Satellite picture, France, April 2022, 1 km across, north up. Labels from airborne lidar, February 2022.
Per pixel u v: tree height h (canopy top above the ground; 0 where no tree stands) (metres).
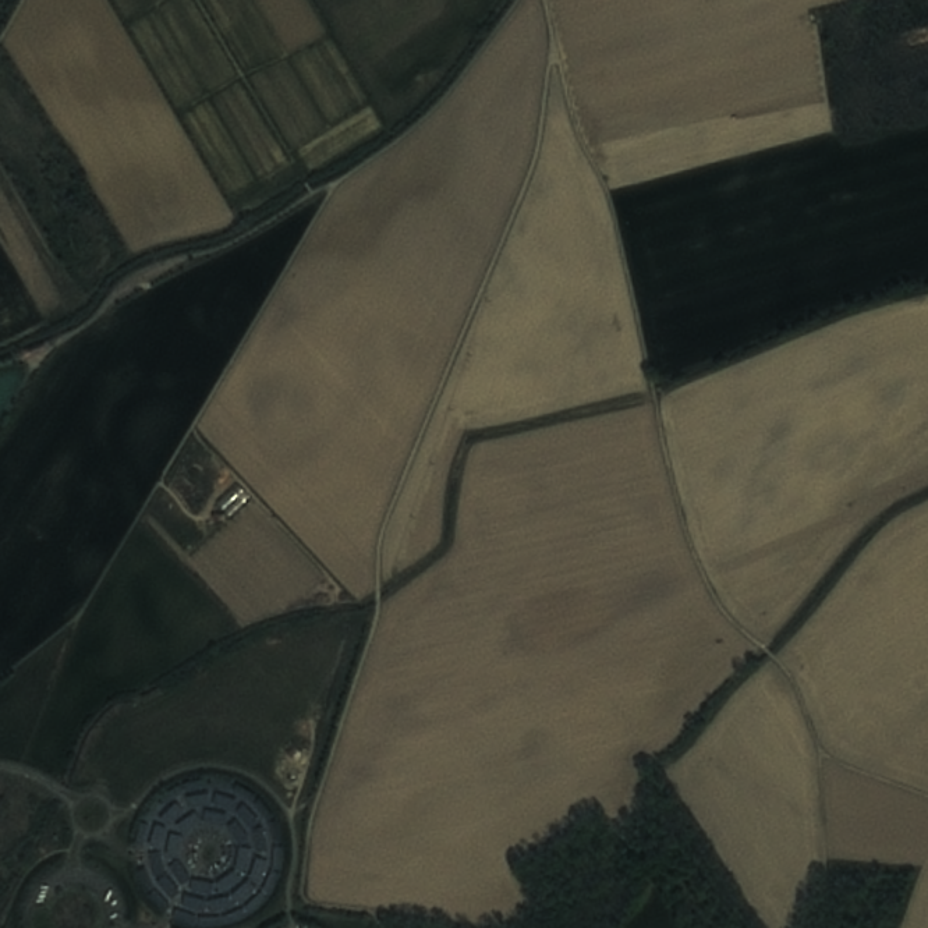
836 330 0
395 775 0
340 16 0
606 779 0
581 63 0
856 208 0
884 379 0
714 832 0
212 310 0
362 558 0
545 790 0
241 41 0
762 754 0
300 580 0
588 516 0
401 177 0
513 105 0
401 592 0
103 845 0
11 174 7
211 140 0
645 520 0
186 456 0
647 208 0
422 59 0
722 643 0
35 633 0
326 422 0
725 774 0
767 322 0
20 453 0
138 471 0
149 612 0
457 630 0
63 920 0
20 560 0
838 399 0
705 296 0
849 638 0
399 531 0
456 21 0
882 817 0
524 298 0
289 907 0
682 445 0
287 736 0
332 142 0
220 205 0
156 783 0
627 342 0
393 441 0
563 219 0
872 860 0
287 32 0
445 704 0
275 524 0
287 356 0
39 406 0
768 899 0
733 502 0
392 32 0
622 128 0
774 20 0
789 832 0
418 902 0
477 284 0
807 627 0
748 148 0
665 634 0
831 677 0
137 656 0
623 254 0
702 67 0
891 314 0
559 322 0
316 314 0
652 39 0
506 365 0
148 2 0
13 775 0
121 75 0
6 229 0
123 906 0
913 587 0
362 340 0
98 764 0
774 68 0
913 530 0
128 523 0
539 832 0
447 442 0
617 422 0
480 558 0
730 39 0
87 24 0
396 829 0
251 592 0
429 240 0
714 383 0
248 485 0
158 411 0
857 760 0
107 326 0
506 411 0
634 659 0
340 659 0
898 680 0
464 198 0
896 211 0
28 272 0
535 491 0
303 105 0
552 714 0
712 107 0
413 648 0
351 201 0
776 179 0
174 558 0
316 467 0
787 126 0
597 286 0
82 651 0
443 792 0
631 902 19
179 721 0
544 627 0
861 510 0
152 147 0
